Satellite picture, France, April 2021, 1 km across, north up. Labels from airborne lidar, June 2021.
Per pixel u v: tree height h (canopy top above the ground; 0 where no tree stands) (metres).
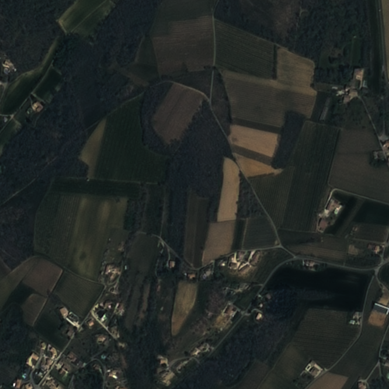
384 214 0
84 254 0
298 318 0
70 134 15
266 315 15
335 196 0
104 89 14
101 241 0
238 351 17
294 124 19
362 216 0
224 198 0
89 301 0
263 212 7
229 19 14
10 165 15
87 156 0
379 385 16
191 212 0
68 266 0
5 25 20
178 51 0
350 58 17
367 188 0
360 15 26
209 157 17
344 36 19
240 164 0
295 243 0
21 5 8
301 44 9
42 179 15
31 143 19
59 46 0
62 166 17
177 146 18
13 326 19
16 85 0
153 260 0
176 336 0
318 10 12
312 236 0
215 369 16
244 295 6
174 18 0
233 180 0
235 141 0
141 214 11
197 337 0
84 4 0
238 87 0
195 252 0
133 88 0
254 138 0
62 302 8
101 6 0
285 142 19
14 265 10
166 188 9
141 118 13
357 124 7
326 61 0
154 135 17
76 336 9
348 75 23
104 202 0
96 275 0
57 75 0
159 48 0
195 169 17
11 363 8
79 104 15
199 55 0
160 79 8
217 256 0
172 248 10
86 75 11
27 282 0
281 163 15
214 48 0
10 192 18
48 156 15
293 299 21
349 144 0
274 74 11
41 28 19
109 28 20
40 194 8
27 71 18
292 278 0
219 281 16
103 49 12
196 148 20
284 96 0
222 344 0
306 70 0
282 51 0
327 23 23
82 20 0
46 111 0
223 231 0
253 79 0
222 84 17
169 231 11
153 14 19
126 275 12
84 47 19
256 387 0
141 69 0
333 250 0
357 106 0
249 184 9
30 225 8
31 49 10
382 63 0
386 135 5
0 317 10
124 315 14
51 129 18
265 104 0
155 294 12
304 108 0
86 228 0
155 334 7
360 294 0
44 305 0
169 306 0
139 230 10
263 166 0
